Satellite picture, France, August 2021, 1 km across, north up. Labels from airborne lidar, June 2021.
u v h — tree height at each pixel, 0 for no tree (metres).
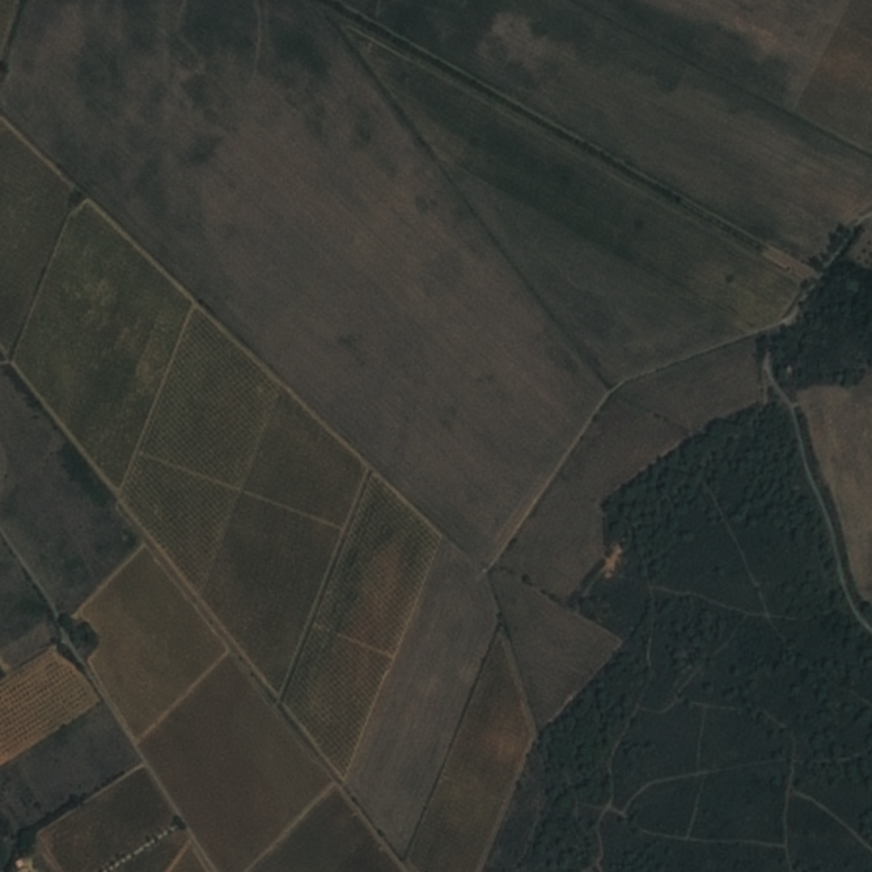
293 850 0
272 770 0
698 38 0
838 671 12
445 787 0
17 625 0
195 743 0
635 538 8
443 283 0
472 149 0
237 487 0
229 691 0
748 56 0
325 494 0
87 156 0
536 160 0
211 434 0
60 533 0
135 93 0
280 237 0
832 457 0
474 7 0
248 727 0
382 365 0
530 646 0
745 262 0
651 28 0
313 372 0
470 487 0
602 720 7
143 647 0
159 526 0
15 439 0
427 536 0
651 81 0
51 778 0
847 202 0
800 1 0
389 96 0
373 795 0
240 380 0
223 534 0
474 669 0
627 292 0
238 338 0
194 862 0
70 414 0
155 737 0
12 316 0
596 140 0
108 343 0
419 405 0
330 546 0
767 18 0
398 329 0
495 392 0
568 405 0
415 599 0
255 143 0
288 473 0
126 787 0
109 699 0
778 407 7
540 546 0
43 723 0
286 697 0
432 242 0
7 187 0
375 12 0
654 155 0
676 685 0
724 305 0
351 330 0
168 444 0
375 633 0
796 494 9
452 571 0
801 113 0
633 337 0
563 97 0
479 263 0
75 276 0
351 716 0
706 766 0
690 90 0
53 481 0
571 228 0
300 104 0
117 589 0
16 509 0
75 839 0
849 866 7
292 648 0
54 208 0
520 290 0
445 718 0
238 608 0
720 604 0
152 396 0
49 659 0
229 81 0
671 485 9
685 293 0
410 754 0
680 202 9
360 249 0
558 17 0
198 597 0
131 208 0
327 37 0
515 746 0
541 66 0
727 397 0
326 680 0
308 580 0
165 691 0
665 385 0
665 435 0
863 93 0
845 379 9
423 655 0
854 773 13
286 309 0
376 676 0
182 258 0
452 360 0
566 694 0
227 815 0
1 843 10
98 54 0
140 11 0
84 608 0
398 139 0
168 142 0
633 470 0
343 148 0
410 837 0
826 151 0
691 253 0
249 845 0
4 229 0
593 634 0
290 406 0
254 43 0
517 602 0
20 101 0
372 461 0
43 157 0
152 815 0
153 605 0
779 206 0
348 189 0
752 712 10
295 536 0
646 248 0
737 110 0
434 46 0
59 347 0
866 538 0
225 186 0
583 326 0
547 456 0
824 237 0
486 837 0
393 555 0
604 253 0
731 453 7
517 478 0
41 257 0
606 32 0
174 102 0
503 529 0
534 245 0
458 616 0
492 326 0
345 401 0
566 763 8
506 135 0
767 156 0
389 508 0
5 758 0
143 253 0
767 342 7
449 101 0
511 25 0
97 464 0
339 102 0
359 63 0
